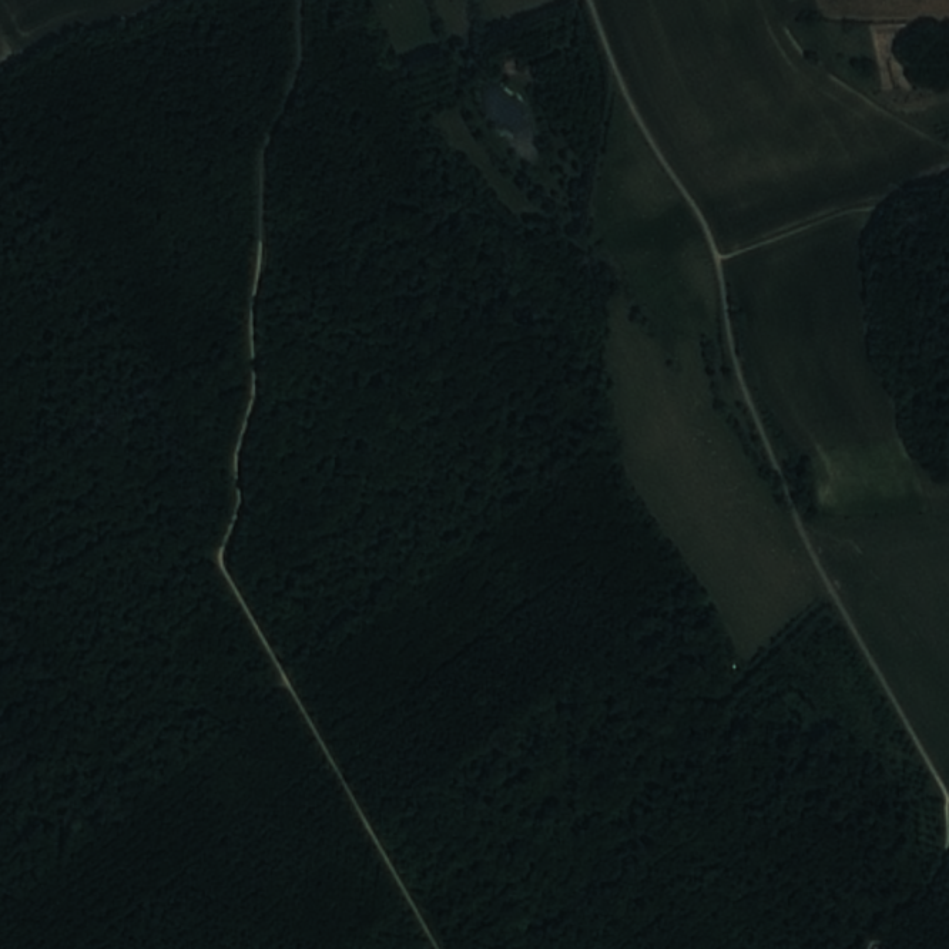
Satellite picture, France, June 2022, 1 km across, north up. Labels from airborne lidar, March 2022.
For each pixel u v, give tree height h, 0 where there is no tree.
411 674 12
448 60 21
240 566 18
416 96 15
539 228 17
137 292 15
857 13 0
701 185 0
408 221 22
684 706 18
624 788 21
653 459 0
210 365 20
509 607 8
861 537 0
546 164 0
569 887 16
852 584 0
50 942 18
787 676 11
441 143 14
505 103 0
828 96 0
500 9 0
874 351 14
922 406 21
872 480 0
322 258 14
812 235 0
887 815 24
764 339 0
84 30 13
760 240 0
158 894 18
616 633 21
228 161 11
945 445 20
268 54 16
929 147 0
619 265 0
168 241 8
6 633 21
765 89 0
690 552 0
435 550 20
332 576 7
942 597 0
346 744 13
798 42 0
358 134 19
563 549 12
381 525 11
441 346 27
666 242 0
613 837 20
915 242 22
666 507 0
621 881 18
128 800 19
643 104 0
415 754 16
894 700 0
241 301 9
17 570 8
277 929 10
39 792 19
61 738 22
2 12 0
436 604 11
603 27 0
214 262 9
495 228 24
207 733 18
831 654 9
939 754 0
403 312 24
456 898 13
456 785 19
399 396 22
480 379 20
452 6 0
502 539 14
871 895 21
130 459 16
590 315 22
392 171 12
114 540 18
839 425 0
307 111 18
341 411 19
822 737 23
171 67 18
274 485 21
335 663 12
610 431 24
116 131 12
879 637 0
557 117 17
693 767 19
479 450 18
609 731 20
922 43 18
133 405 15
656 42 0
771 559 0
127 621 16
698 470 0
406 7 0
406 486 14
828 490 0
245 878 19
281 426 19
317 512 23
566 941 21
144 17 12
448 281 17
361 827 12
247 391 14
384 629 13
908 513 0
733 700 11
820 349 0
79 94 15
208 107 15
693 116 0
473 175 16
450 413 23
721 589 0
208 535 18
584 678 20
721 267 0
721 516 0
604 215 0
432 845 19
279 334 18
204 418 19
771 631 0
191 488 16
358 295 21
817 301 0
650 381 0
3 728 24
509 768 22
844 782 25
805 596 0
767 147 0
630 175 0
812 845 8
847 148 0
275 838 17
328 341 13
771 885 16
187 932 19
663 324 0
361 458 20
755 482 0
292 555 23
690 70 0
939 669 0
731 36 0
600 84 12
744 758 8
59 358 13
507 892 15
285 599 18
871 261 20
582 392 24
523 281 28
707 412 0
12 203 19
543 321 28
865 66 13
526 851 21
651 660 26
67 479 18
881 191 0
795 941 11
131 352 12
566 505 12
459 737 16
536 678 16
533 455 17
